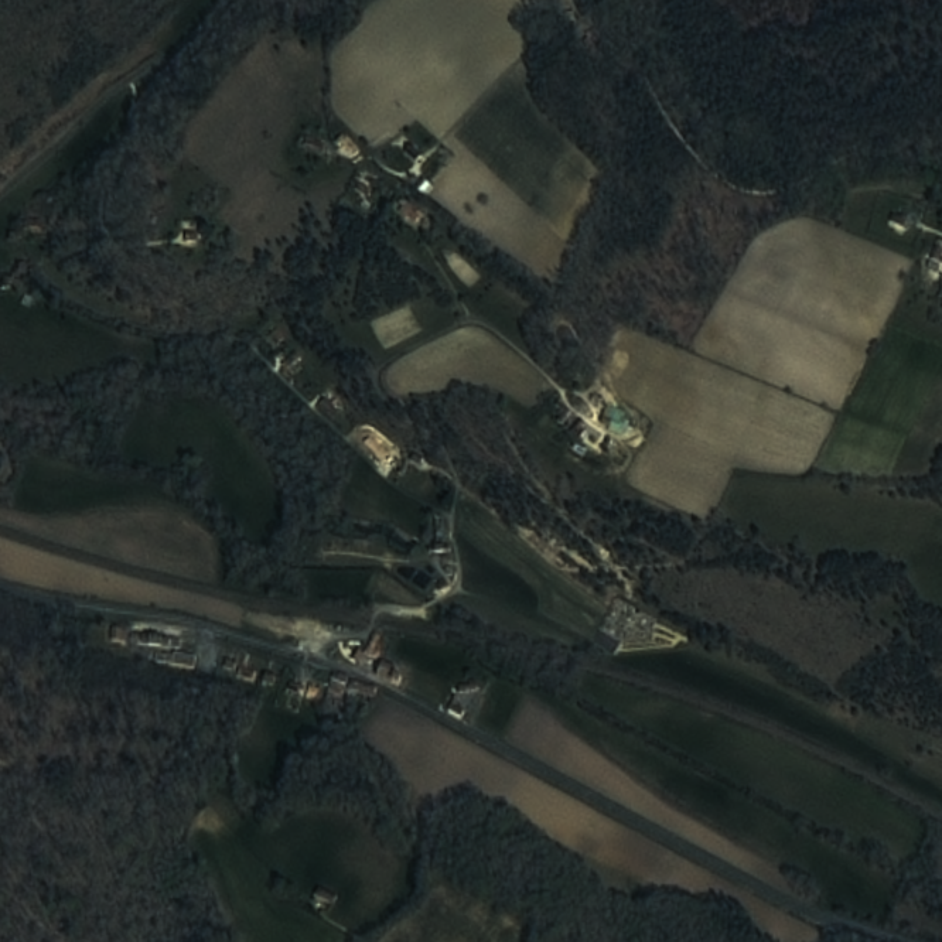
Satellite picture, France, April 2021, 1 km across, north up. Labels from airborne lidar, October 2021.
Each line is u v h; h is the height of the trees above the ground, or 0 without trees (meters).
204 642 0
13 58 14
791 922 0
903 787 0
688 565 7
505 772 0
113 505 0
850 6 11
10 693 23
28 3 16
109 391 14
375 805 22
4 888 19
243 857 0
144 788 20
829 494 0
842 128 21
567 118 21
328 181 0
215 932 15
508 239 0
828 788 0
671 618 10
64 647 22
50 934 14
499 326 0
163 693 8
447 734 0
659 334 18
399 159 0
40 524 0
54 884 20
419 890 24
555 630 0
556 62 24
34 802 22
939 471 16
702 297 17
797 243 0
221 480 0
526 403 0
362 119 0
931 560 0
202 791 27
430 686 0
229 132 0
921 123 21
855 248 0
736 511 0
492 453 15
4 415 13
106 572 0
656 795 0
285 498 15
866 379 0
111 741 15
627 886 0
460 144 0
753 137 23
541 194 0
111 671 6
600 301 18
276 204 0
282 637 0
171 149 25
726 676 0
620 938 26
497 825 26
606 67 24
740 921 14
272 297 11
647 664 0
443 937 0
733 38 25
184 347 17
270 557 22
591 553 8
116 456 6
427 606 0
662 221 17
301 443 19
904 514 0
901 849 0
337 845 0
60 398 8
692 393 0
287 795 25
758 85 21
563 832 0
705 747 0
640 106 26
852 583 21
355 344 0
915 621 19
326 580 0
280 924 0
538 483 13
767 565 9
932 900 25
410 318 0
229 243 14
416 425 21
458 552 0
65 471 0
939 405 0
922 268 7
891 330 0
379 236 18
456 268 0
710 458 0
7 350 0
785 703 0
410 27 0
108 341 0
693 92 21
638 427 0
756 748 0
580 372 20
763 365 0
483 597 0
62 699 20
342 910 0
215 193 7
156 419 0
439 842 24
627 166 18
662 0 23
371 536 0
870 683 10
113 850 17
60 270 10
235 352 10
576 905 22
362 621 0
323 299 18
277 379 6
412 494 0
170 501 0
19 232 11
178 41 0
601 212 18
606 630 0
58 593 0
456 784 0
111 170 18
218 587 0
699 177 20
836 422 0
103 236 9
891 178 21
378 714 0
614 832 0
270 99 0
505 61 0
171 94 23
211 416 0
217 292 17
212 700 22
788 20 10
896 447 0
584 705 11
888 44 14
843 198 24
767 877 0
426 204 19
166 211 0
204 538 0
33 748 25
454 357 0
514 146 0
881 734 0
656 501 0
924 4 14
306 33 17
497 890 21
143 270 22
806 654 0
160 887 19
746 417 0
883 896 0
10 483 8
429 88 0
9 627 18
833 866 0
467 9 0
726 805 0
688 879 0
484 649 11
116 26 13
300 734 0
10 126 8
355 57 0
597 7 19
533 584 0
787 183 19
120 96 0
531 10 16
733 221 16
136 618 0
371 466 0
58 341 0
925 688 11
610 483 0
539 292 19
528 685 13
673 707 0
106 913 11
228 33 15
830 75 14
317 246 14
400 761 0
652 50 25
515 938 0
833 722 0
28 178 0
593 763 0
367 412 23
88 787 17
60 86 11
